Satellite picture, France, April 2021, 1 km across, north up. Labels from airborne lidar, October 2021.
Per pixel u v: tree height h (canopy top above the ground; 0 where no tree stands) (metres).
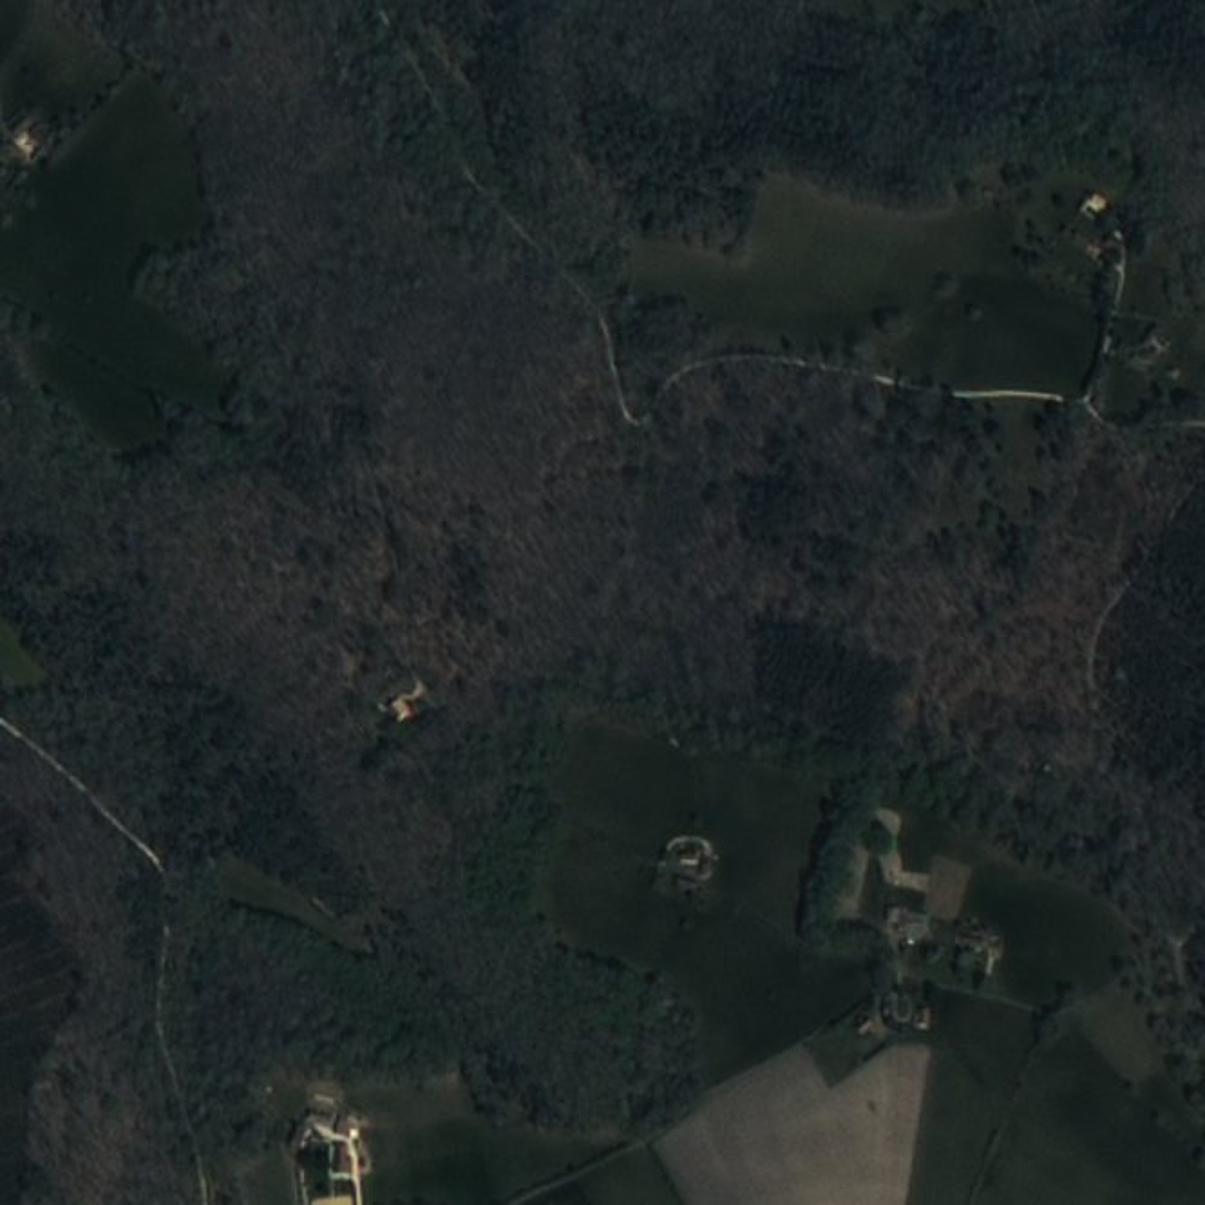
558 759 15
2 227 0
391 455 14
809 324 0
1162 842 20
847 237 0
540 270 19
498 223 18
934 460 16
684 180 10
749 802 0
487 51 19
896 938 0
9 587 15
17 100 0
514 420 18
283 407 16
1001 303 0
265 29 12
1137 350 6
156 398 12
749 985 0
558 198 16
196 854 8
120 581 17
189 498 21
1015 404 0
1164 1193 0
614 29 16
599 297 14
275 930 19
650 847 0
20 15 0
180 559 17
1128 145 16
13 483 19
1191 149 11
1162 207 20
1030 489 0
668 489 16
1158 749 11
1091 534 0
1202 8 11
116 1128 19
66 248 0
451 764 22
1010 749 19
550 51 16
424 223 21
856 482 16
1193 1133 0
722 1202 0
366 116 21
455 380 17
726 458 16
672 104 21
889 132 22
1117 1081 0
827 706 20
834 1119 0
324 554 12
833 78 17
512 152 19
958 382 0
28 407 21
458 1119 0
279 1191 0
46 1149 17
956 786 20
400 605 21
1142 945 14
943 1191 0
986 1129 0
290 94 19
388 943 16
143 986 13
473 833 22
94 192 0
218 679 14
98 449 17
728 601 7
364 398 17
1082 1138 0
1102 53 16
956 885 0
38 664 16
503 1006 20
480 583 24
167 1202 18
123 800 15
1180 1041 19
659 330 17
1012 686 17
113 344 0
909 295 0
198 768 18
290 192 17
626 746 0
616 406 15
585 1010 23
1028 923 0
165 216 0
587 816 0
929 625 14
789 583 14
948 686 9
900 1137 0
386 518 14
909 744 17
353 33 20
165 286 19
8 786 11
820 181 16
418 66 24
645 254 0
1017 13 15
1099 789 16
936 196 20
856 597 21
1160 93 14
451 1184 0
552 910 0
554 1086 21
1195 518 8
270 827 16
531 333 17
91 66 0
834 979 0
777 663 21
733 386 17
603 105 12
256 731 13
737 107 21
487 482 13
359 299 21
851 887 18
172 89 18
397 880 15
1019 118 24
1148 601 20
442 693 14
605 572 17
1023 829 25
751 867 0
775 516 24
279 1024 18
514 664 14
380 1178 0
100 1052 15
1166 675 10
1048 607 12
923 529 14
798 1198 0
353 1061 26
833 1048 0
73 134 9
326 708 16
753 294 0
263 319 20
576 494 14
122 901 15
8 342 19
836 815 19
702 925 0
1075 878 19
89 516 18
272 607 11
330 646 11
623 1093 22
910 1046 0
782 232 0
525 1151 0
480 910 23
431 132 27
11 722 18
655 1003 21
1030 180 13
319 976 20
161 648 17
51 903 21
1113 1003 0
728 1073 0
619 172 15
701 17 17
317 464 19
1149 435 18
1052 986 0
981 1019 0
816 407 17
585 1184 0
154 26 16
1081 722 16
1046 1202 0
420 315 16
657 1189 0
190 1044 20
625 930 0
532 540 14
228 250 19
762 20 18
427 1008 19
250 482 16
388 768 17
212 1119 18
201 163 13
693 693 20
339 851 14
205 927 16
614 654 17
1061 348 0
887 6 0
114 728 19
